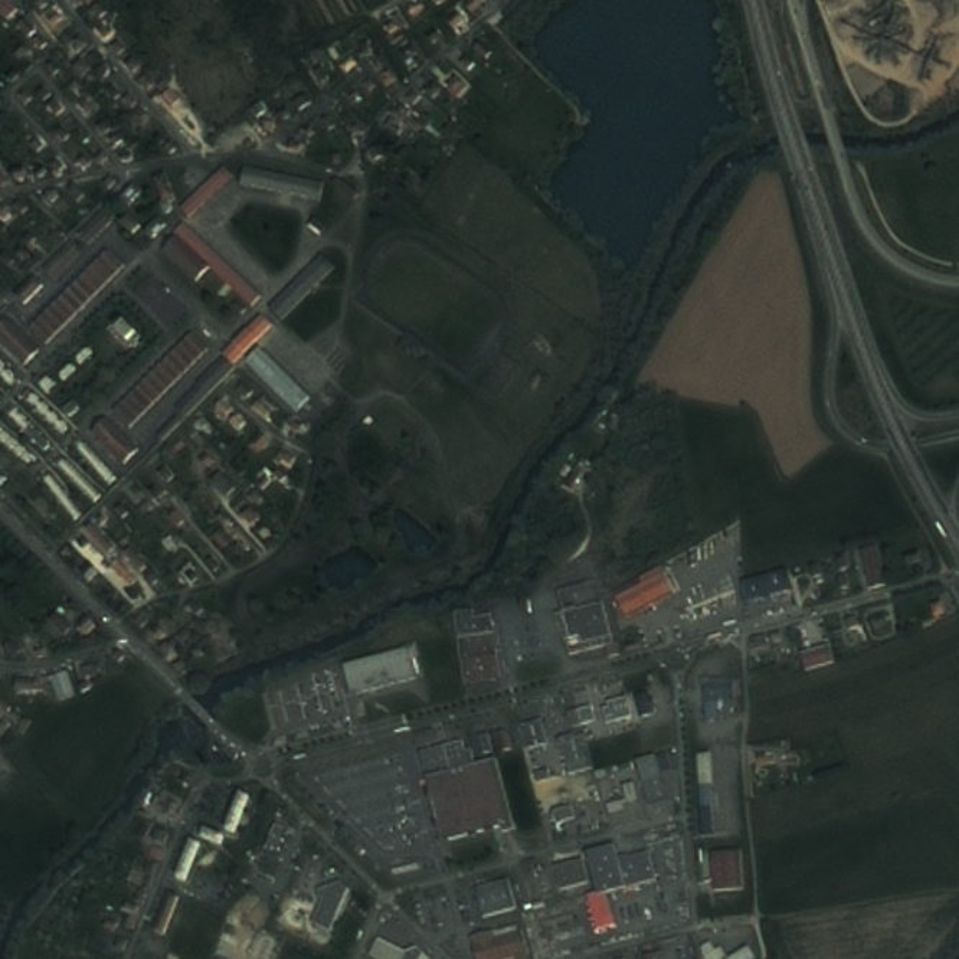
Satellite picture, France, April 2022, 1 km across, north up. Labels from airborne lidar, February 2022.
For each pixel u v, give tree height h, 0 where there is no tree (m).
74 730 0
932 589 12
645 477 0
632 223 0
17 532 0
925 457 0
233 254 0
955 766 0
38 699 0
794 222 0
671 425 11
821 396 0
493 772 0
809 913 0
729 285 0
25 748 0
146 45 0
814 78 0
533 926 0
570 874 0
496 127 0
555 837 0
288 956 0
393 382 0
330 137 0
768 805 0
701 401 0
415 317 0
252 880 0
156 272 0
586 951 0
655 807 0
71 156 0
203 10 0
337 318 0
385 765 0
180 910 0
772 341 0
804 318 0
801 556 0
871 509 0
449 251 0
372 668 0
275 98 0
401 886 0
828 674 0
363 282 0
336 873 0
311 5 0
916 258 0
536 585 13
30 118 0
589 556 0
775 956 0
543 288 0
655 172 0
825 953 0
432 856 0
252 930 0
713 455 0
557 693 0
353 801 0
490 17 0
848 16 0
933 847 0
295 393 0
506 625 0
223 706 14
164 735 0
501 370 0
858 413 0
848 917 0
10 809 0
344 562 0
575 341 0
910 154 0
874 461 0
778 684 0
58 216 0
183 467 0
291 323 0
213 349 0
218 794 13
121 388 0
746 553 0
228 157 0
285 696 0
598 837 0
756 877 0
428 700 0
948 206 0
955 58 0
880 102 0
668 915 0
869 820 0
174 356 0
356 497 0
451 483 0
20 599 15
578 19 0
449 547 0
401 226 0
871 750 0
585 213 0
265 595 0
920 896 0
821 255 0
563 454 12
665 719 0
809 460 0
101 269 0
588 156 0
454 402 0
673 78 0
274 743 0
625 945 0
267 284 0
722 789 0
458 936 0
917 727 0
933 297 0
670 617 0
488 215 0
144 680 0
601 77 0
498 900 0
